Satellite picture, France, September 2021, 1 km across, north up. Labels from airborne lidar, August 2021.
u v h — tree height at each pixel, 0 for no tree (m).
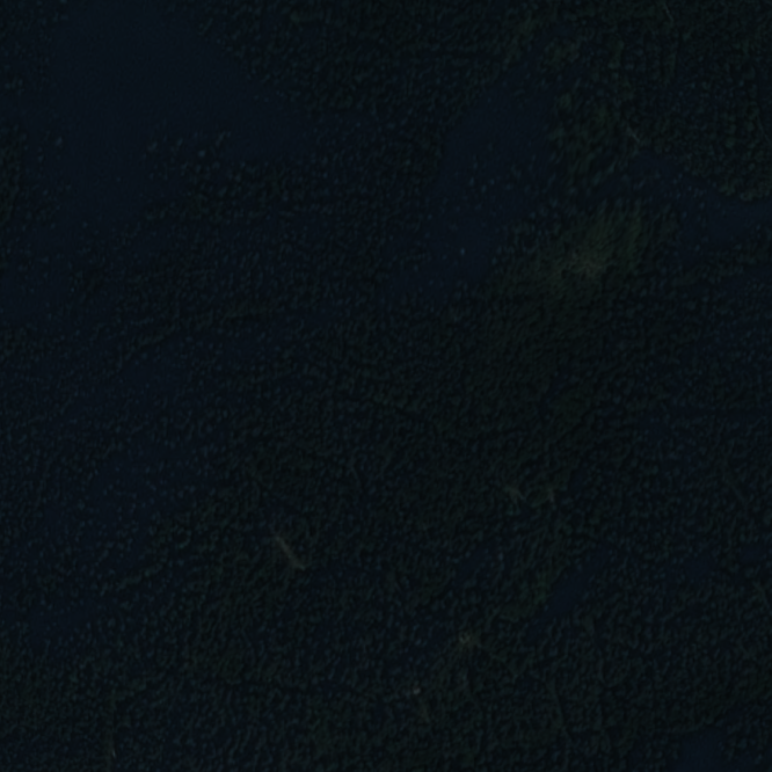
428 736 19
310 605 14
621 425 24
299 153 25
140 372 22
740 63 32
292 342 14
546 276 23
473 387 20
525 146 19
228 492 29
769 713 21
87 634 14
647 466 19
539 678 20
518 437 23
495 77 22
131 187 27
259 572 18
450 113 23
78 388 25
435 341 18
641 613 12
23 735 11
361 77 26
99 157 7
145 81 26
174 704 7
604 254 13
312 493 23
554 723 28
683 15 27
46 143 31
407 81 22
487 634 8
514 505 28
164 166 26
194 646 19
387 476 27
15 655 18
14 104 25
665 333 28
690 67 26
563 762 28
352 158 30
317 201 31
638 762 24
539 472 26
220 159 31
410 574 14
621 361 26
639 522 23
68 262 21
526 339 25
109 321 23
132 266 18
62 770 22
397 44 30
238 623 21
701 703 20
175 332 18
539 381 29
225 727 12
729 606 23
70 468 27
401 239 27
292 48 32
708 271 21
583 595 17
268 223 13
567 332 27
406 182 24
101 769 22
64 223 18
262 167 32
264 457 20
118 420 14
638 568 17
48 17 22
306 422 19
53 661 21
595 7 12
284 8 16
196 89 27
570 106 43
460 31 23
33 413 23
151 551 21
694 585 23
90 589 27
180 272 25
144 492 21
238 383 20
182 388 25
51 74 31
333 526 10
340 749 15
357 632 16
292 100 32
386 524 20
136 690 13
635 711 19
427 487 27
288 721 10
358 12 28
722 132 26
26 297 25
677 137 30
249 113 25
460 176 18
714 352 19
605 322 26
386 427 19
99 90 30
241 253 33
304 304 15
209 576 14
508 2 31
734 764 23
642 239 21
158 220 28
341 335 26
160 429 20
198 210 28
